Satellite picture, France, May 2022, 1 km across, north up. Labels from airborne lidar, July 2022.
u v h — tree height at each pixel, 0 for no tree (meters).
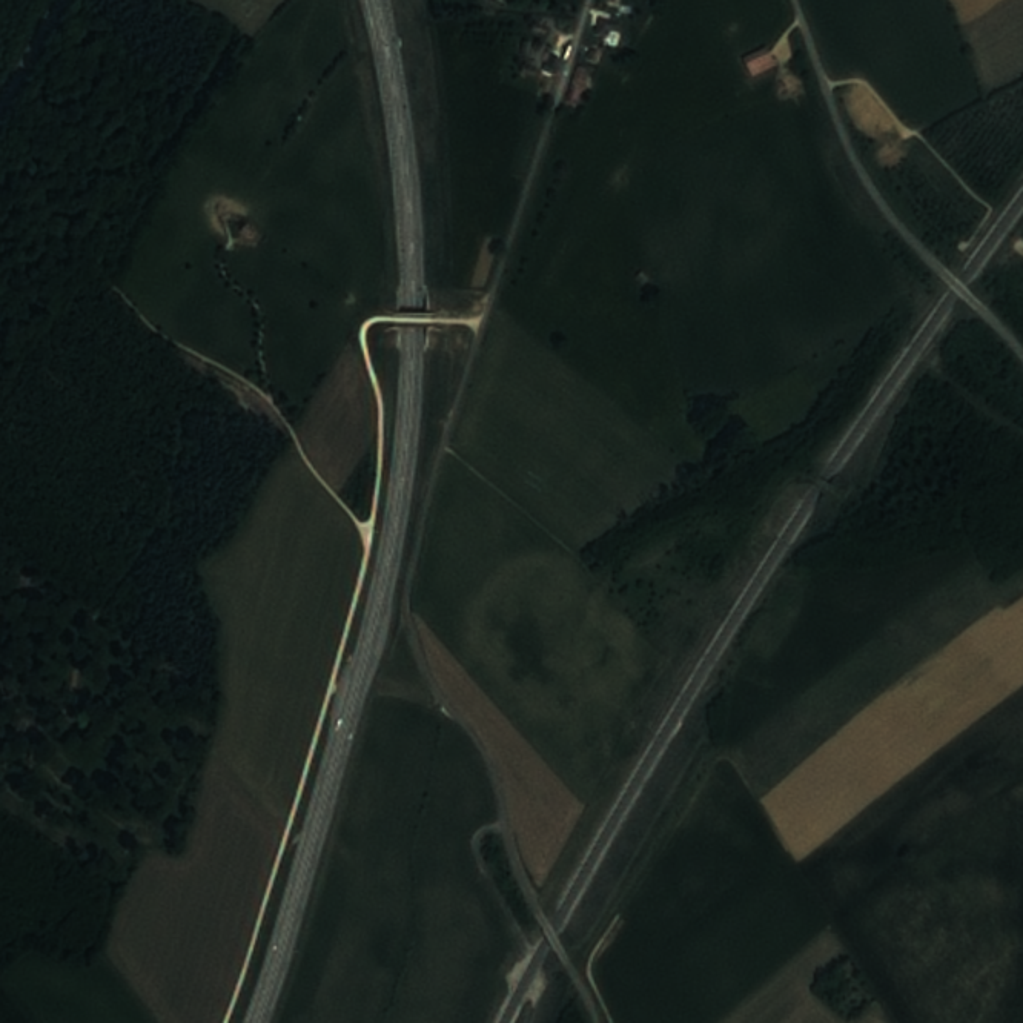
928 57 0
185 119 19
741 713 0
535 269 0
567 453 0
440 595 0
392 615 0
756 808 0
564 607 0
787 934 0
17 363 13
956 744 0
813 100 0
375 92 0
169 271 0
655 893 0
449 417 0
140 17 22
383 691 0
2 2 17
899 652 0
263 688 0
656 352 0
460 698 0
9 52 15
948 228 8
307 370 0
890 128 0
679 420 0
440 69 0
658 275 0
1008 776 0
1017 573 8
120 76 23
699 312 0
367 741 0
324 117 0
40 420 15
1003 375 11
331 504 0
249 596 0
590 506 0
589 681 0
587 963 0
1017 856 0
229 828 0
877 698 0
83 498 14
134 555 12
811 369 0
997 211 0
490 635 0
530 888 0
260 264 0
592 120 0
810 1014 0
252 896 0
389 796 0
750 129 0
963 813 0
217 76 13
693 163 0
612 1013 0
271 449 18
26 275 21
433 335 0
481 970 0
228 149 0
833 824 0
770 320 0
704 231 0
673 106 0
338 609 0
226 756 0
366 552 0
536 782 0
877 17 0
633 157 0
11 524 15
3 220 25
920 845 0
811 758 0
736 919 0
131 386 16
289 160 0
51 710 25
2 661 30
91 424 15
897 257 7
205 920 0
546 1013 0
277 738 0
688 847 0
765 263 0
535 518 0
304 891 0
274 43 0
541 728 0
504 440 0
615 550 5
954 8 6
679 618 0
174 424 15
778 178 0
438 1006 0
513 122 0
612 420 0
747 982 0
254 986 0
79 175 26
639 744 0
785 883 0
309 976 0
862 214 0
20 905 11
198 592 10
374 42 0
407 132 0
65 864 13
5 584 33
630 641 0
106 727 30
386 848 0
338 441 0
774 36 0
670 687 0
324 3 0
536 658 0
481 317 0
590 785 0
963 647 0
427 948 0
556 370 0
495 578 0
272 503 0
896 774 0
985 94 6
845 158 0
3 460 14
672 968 0
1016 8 0
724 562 10
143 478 14
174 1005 0
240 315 0
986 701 0
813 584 0
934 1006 0
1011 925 0
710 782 0
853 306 0
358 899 0
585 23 0
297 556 0
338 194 0
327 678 0
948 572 0
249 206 0
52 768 0
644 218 0
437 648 0
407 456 0
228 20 14
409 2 0
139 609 16
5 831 11
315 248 0
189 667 20
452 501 0
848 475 0
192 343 0
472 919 0
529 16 7
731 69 0
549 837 0
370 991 0
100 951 14
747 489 12
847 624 0
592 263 0
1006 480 8
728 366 0
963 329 11
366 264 0
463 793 0
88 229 25
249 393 0
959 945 0
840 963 12
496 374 0
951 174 0
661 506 9
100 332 15
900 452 6
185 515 19
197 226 0
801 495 0
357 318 0
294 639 0
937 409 6
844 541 11
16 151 26
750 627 6
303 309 0
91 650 31
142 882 0
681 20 0
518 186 0
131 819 20
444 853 0
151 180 10
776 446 7
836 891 0
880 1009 0
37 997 0
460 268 0
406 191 0
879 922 0
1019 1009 0
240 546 0
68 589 11
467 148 0
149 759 23
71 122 27
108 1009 0
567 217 0
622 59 23
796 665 0
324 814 0
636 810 0
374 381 0
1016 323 5
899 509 7
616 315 0
